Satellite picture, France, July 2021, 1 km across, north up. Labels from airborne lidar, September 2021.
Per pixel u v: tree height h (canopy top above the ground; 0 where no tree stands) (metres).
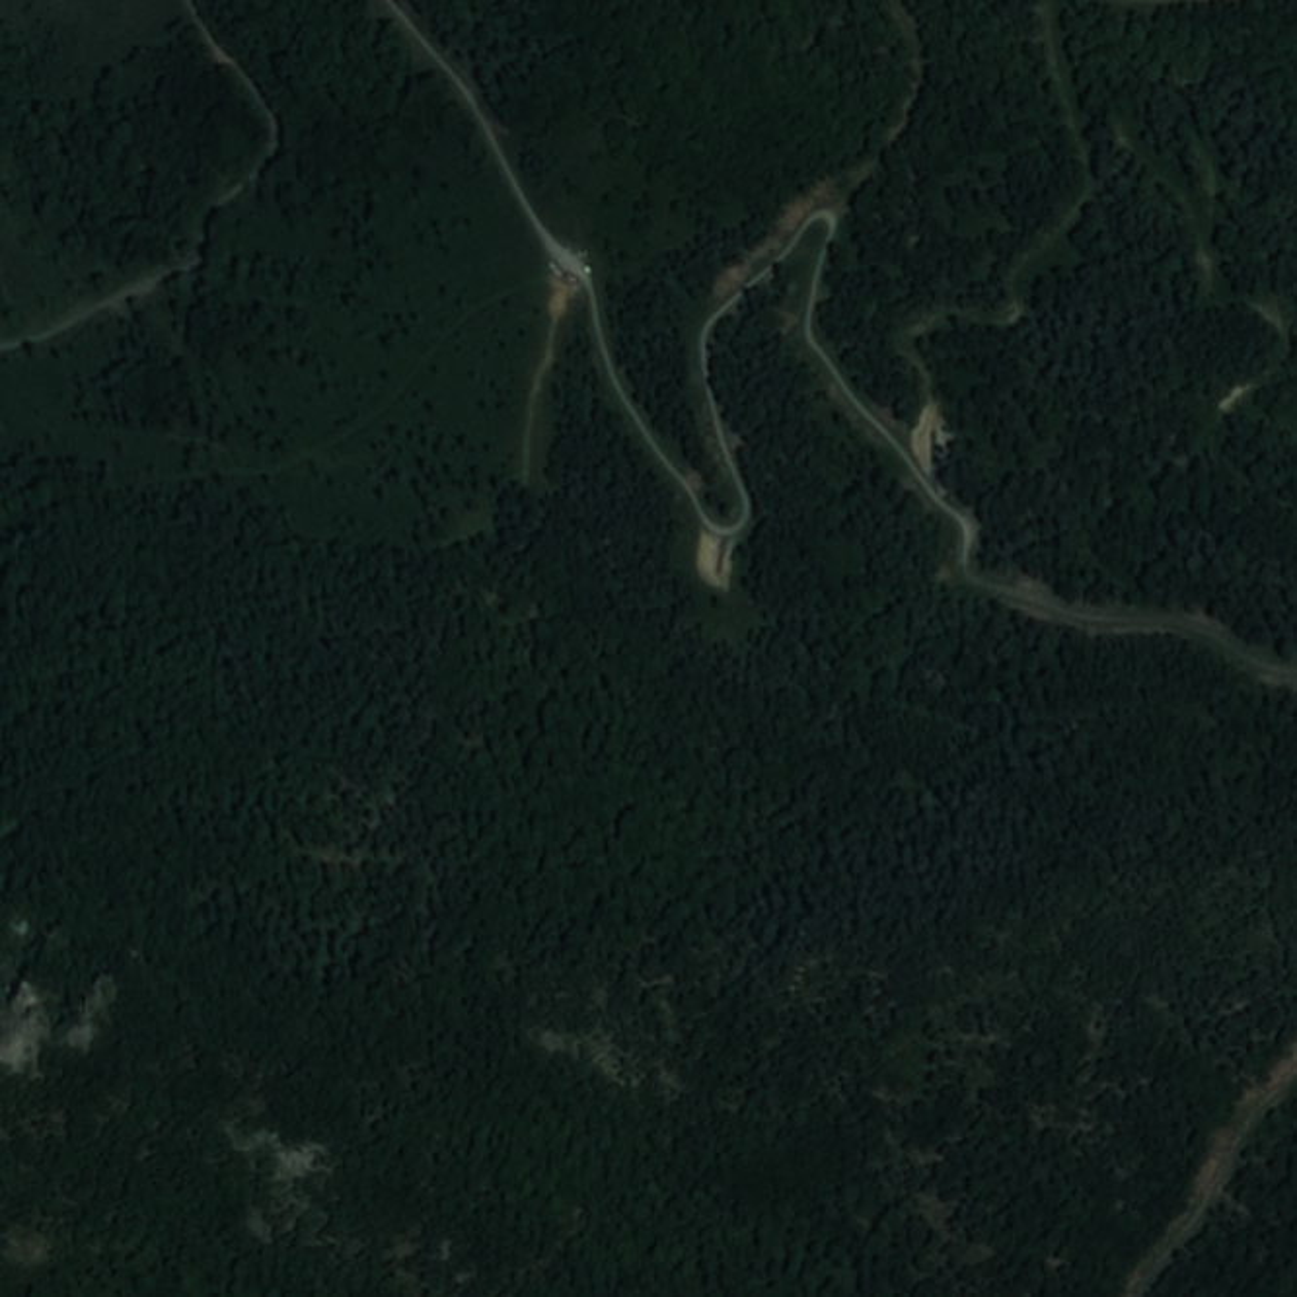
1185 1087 26
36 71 8
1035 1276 26
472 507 11
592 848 28
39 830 21
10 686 19
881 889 23
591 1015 9
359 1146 17
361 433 0
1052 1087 21
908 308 20
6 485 16
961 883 23
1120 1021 19
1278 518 14
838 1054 31
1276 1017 23
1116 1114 24
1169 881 20
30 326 0
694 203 11
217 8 19
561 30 19
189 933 20
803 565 24
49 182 11
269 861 21
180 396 14
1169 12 16
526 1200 15
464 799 22
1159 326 32
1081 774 9
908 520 28
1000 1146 26
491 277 0
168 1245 21
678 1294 13
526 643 22
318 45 26
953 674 28
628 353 13
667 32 23
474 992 23
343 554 16
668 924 23
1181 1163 14
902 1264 17
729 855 11
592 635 14
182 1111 16
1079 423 11
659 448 0
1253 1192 24
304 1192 7
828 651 24
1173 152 27
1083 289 19
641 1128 23
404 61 27
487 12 13
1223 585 18
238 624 19
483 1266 14
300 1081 22
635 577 18
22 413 0
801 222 0
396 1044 26
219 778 19
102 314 0
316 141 26
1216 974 25
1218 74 34
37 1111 15
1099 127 17
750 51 24
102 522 20
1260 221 25
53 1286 7
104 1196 18
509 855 6
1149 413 18
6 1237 18
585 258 0
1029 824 14
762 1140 12
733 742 25
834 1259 32
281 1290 15
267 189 6
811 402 11
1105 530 12
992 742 20
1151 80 22
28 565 25
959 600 19
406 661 13
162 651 9
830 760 20
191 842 22
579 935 24
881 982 8
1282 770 16
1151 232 20
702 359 0
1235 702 13
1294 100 23
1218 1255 24
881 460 19
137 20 0
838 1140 11
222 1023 14
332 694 14
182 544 18
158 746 24
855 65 22
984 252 10
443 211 0
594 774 23
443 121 21
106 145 11
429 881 8
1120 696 17
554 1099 24
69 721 24
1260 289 25
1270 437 27
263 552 16
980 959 7
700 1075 11
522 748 22
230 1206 21
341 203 7
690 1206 26
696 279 21
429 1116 14
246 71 11
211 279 16
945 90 23
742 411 18
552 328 0
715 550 0
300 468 0
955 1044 11
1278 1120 26
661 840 21
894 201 22
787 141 14
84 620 14
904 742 10
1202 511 19
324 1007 17
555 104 13
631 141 20
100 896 12
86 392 11
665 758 22
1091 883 15
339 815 12
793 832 21
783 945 18
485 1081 21
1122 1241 16
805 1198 16
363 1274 19
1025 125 24
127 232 18
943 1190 21
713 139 16
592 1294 22
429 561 12
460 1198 20
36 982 10
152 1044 9
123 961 6
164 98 17
